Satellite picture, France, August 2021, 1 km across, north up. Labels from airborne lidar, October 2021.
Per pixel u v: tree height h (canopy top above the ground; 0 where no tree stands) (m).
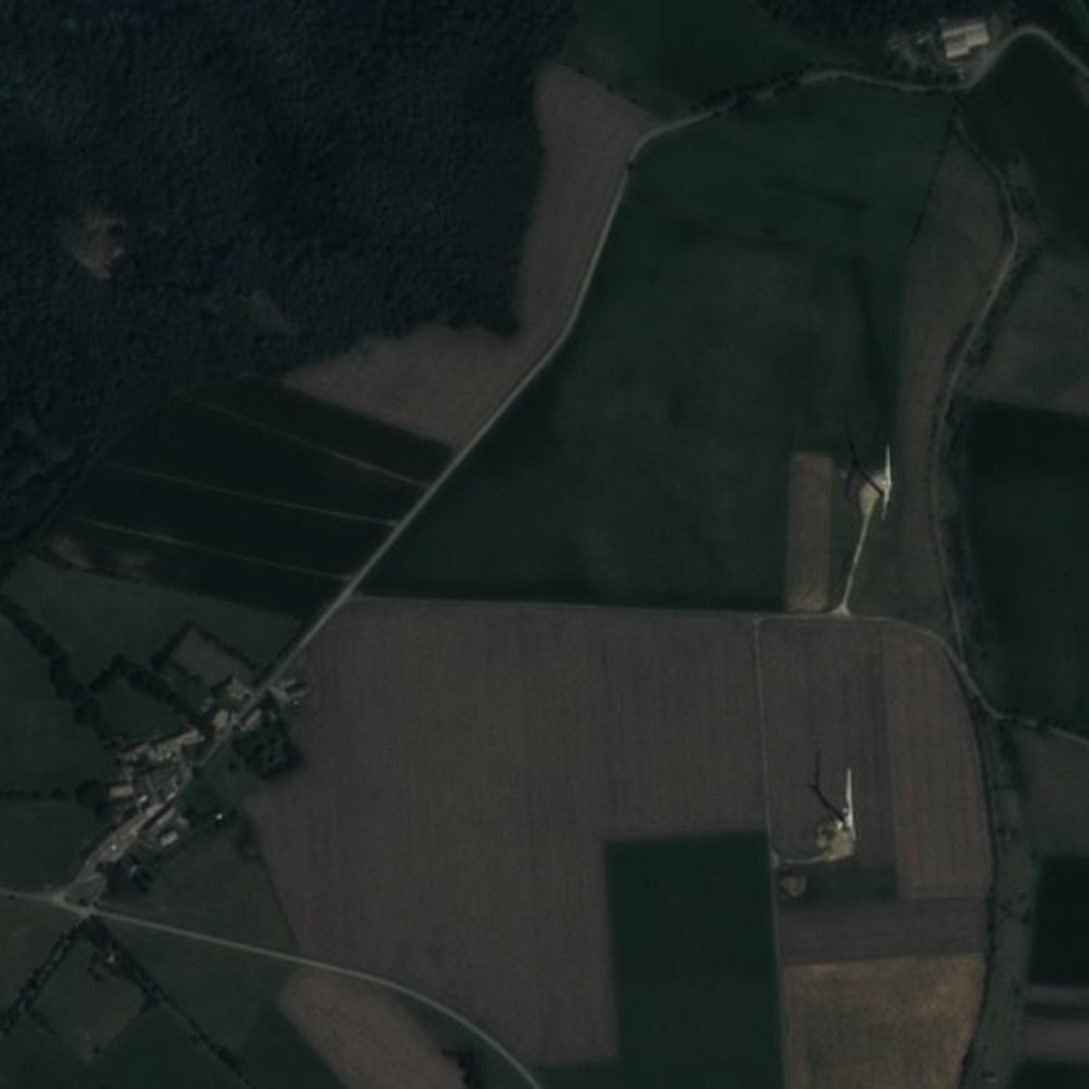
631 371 0
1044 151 0
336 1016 0
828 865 0
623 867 0
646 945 0
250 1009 0
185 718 12
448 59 16
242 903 0
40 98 7
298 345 15
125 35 9
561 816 0
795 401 0
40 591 0
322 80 19
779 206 0
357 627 0
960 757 0
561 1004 0
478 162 18
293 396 0
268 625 0
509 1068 0
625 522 0
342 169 30
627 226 0
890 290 0
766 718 0
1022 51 0
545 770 0
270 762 6
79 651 0
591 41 0
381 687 0
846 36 12
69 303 14
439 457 0
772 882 0
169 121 14
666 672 0
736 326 0
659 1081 0
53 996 0
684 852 0
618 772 0
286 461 0
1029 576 0
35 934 0
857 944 0
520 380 0
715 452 0
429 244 17
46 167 20
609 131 0
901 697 0
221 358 14
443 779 0
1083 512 0
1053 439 0
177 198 18
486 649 0
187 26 31
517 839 0
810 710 0
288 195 27
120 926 0
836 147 0
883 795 0
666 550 0
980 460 0
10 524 21
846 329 0
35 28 18
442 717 0
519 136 19
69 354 28
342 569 0
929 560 0
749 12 0
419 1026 0
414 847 0
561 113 0
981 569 0
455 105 14
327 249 22
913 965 0
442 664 0
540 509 0
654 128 0
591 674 0
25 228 18
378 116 17
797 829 0
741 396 0
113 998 0
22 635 13
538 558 0
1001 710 8
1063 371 0
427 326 10
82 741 0
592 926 0
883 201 0
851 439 0
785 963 0
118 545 0
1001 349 0
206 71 22
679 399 0
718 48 0
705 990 0
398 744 0
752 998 0
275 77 17
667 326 0
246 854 0
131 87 15
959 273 0
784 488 0
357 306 12
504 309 14
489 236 17
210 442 0
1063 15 14
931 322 0
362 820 0
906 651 0
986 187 0
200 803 0
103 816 13
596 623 0
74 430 19
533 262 0
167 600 0
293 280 12
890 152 0
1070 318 0
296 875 0
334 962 0
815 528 0
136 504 0
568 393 0
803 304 0
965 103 9
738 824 0
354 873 0
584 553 0
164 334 22
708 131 0
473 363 0
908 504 0
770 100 0
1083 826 0
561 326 0
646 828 0
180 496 0
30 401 15
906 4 23
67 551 0
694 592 0
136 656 0
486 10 15
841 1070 0
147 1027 0
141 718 0
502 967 0
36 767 0
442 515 0
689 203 0
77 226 14
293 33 7
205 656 0
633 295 0
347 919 0
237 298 6
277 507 0
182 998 0
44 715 0
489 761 0
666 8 0
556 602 0
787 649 0
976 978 0
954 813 0
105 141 17
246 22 12
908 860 0
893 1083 0
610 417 0
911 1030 0
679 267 0
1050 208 0
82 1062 0
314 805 0
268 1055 0
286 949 0
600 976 0
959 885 0
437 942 0
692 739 0
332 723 0
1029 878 0
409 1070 0
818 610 0
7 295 15
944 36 0
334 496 0
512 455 0
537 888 0
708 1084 0
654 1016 0
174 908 0
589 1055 0
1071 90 0
